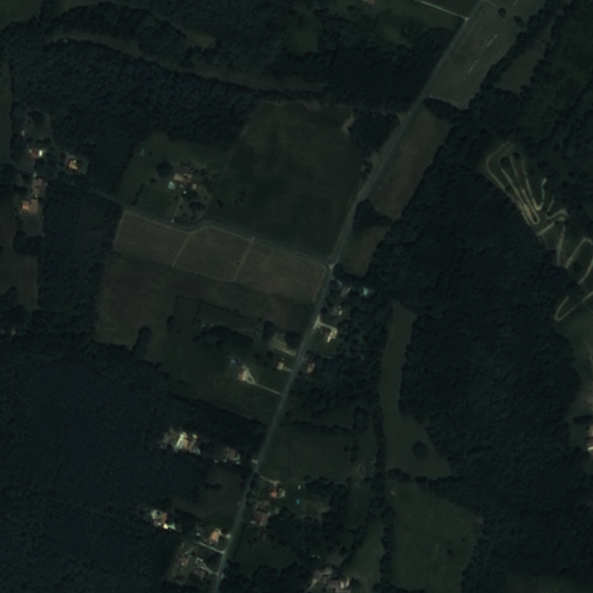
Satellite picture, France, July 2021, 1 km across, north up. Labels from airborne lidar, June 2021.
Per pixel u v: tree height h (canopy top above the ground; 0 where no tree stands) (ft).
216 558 36
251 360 0
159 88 104
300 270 0
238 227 0
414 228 42
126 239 0
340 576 25
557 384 70
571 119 51
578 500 70
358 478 0
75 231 48
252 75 25
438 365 98
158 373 74
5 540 52
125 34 70
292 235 0
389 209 0
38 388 46
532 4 0
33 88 76
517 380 43
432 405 61
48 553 42
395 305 0
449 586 0
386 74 73
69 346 56
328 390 42
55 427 39
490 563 57
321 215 0
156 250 0
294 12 26
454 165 57
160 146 0
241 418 47
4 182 52
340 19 35
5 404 68
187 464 66
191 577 30
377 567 0
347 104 25
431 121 0
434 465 0
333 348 0
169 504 29
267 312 0
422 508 0
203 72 0
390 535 32
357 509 0
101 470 55
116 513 22
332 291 46
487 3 0
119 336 0
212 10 47
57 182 28
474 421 72
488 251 57
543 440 59
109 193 41
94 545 50
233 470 30
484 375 91
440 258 83
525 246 53
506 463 43
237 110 61
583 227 55
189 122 90
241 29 52
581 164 62
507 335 90
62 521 55
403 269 75
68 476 52
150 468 59
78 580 58
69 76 87
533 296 63
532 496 70
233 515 0
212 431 46
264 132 0
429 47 44
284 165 0
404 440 0
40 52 67
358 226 34
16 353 55
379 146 48
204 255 0
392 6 0
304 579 64
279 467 0
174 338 0
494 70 40
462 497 56
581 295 57
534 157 65
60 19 37
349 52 76
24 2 0
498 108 98
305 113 0
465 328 83
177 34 43
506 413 73
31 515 53
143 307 0
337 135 0
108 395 52
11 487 72
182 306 0
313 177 0
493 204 68
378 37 25
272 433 0
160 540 56
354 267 0
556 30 54
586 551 96
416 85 75
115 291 0
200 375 0
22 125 41
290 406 0
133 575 44
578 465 62
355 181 0
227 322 0
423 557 0
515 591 0
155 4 73
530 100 76
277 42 65
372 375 23
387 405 0
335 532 68
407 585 0
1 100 0
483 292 90
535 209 0
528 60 0
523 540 67
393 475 36
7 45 86
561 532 94
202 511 0
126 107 61
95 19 77
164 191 0
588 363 0
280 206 0
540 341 79
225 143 59
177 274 0
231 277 0
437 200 60
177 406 74
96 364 35
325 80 68
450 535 0
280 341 0
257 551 0
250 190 0
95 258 36
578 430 0
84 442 48
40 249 74
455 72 0
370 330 43
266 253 0
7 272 0
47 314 30
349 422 0
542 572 47
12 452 47
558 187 58
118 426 47
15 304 44
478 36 0
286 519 48
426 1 0
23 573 56
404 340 0
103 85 81
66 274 41
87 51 95
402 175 0
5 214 0
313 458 0
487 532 51
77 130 72
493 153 0
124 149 41
